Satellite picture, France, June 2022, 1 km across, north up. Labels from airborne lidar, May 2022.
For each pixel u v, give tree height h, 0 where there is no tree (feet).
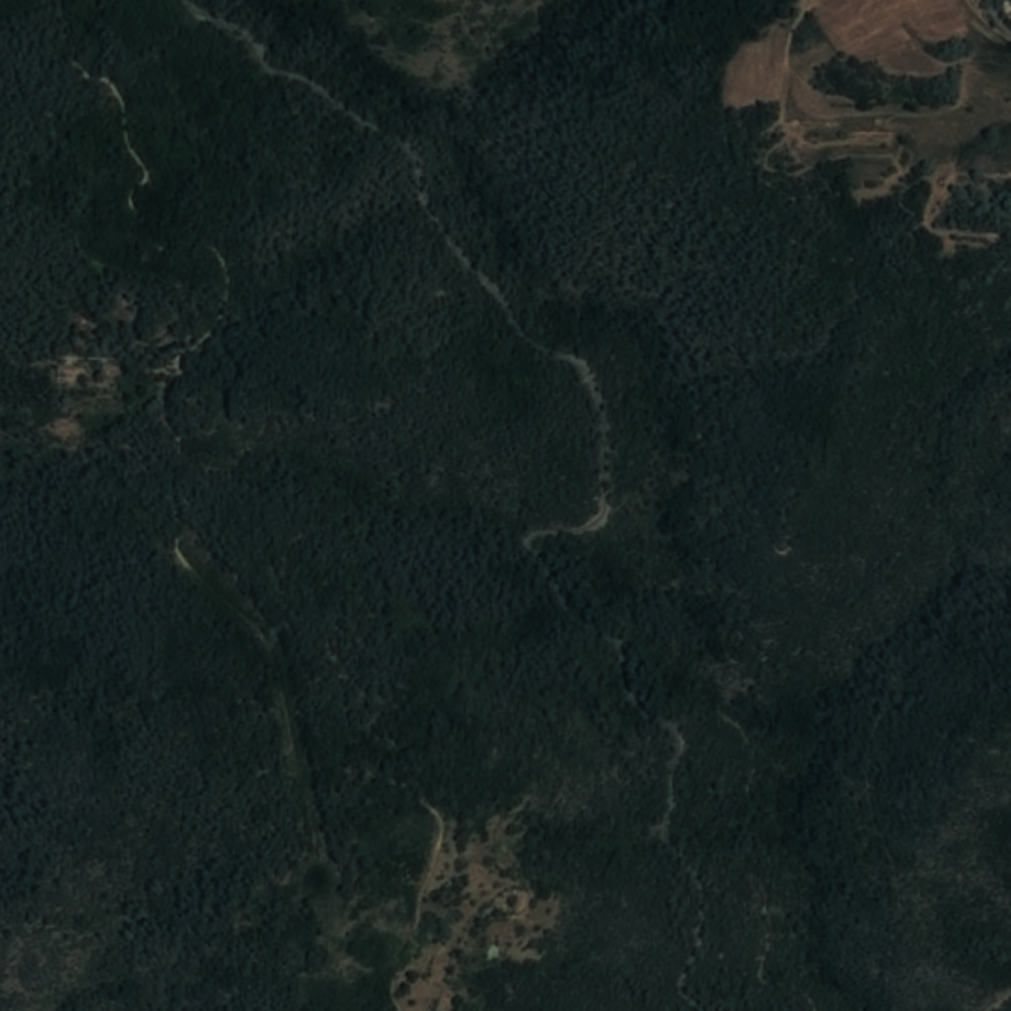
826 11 0
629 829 26
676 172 28
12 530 78
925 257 58
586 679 76
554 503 23
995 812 28
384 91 56
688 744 28
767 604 33
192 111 32
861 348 28
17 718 35
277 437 24
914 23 0
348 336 63
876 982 34
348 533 57
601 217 69
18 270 73
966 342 25
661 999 31
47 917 27
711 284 66
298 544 31
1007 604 28
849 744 31
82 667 67
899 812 29
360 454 41
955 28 0
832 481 31
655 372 47
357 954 18
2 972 17
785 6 39
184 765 63
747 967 31
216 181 32
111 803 20
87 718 49
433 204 35
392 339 57
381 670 62
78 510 41
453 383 48
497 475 32
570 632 62
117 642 67
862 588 28
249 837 66
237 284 30
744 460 30
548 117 31
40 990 21
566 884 30
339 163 51
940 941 27
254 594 45
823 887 36
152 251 39
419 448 30
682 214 60
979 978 30
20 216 73
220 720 52
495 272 41
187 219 33
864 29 0
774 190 26
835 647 25
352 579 54
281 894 18
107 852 35
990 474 27
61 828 33
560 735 39
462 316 53
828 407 36
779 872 24
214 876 44
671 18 52
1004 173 0
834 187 29
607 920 34
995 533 23
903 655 31
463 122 67
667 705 95
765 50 0
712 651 55
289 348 102
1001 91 0
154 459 54
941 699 29
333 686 55
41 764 22
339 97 59
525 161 29
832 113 0
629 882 39
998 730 26
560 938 21
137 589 62
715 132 45
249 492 43
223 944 37
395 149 41
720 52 44
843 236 23
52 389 29
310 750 50
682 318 84
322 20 59
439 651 43
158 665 54
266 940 39
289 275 21
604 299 50
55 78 61
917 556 27
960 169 0
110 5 36
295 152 28
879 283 44
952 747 28
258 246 67
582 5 51
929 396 40
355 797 61
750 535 33
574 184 80
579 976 23
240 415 64
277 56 78
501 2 21
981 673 33
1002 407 21
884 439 42
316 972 19
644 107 50
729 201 36
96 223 35
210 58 24
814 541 24
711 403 35
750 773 19
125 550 50
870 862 19
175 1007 37
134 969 21
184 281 37
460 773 23
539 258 54
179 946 20
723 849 25
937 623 88
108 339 71
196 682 52
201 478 48
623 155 35
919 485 32
